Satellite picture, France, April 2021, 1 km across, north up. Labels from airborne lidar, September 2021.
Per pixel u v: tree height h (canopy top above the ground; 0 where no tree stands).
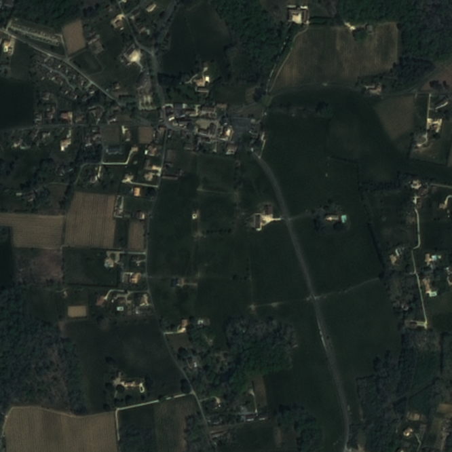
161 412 0
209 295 0
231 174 0
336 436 0
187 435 18
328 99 0
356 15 22
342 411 0
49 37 0
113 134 0
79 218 0
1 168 15
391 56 0
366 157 0
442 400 17
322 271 0
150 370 0
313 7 6
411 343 19
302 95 0
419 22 17
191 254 0
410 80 22
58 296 0
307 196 0
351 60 0
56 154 0
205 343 18
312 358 0
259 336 25
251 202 0
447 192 0
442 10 24
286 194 0
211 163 0
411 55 12
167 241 0
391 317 0
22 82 0
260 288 0
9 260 0
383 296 0
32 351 22
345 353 0
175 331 16
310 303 0
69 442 0
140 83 0
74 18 12
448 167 0
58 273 0
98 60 0
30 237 0
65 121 6
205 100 6
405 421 8
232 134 0
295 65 0
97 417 0
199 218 0
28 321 21
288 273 0
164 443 0
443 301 0
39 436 0
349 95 0
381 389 19
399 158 0
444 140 0
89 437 0
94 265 0
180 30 0
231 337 22
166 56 0
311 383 0
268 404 0
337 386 0
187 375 11
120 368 0
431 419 12
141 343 0
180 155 0
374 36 0
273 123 0
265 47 24
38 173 10
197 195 0
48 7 24
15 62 0
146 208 0
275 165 0
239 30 22
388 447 11
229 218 0
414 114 0
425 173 0
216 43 0
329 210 11
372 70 0
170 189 0
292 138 0
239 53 14
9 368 23
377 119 0
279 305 0
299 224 0
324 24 11
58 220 0
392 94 0
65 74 8
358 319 0
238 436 0
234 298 0
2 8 6
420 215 0
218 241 0
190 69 0
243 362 21
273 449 0
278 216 0
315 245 0
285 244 0
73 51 0
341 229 13
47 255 0
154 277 0
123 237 0
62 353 17
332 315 0
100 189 0
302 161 0
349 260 0
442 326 0
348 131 0
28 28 0
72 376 22
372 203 0
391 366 19
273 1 0
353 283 0
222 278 0
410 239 0
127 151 0
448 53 23
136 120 19
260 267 0
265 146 0
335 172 0
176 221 0
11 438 0
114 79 0
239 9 27
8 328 17
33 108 0
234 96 0
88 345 0
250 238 0
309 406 0
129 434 14
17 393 17
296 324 0
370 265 0
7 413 15
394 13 19
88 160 11
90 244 0
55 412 0
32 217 0
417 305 16
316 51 0
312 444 25
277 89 0
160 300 0
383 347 0
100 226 0
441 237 0
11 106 0
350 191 0
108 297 0
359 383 9
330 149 0
